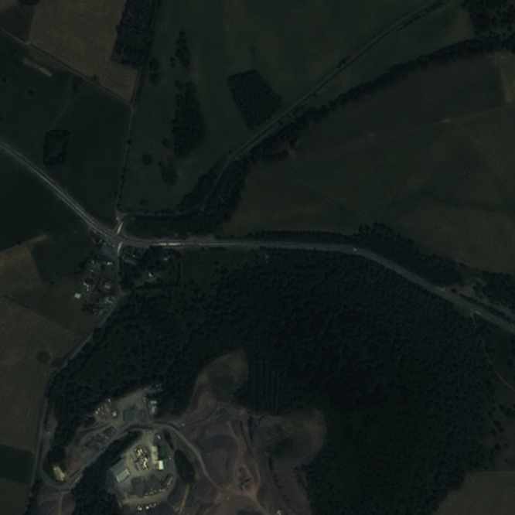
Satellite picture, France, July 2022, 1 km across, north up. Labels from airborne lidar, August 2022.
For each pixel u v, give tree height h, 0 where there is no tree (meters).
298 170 0
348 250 0
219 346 8
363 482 9
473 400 18
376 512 19
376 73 0
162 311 10
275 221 0
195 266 0
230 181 17
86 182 0
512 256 0
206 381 0
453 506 0
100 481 10
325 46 0
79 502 15
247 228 0
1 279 0
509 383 0
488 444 0
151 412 0
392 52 0
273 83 0
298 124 17
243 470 0
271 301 25
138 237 0
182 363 14
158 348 12
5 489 0
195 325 7
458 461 21
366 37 0
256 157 22
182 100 14
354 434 10
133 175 0
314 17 0
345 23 0
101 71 0
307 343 23
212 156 0
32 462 0
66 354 0
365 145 0
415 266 14
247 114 14
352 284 7
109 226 0
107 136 0
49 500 0
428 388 8
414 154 0
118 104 0
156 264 12
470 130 0
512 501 0
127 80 0
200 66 0
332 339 29
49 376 0
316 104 0
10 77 0
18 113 0
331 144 0
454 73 0
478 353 17
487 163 0
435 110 0
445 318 17
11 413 0
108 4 0
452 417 14
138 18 16
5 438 0
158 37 0
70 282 0
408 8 0
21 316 0
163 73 0
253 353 7
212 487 0
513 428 0
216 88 0
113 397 9
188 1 0
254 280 9
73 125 0
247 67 0
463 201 0
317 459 8
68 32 0
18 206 0
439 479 16
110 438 0
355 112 0
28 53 0
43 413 0
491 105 0
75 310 0
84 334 0
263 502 0
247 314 21
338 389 21
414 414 9
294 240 12
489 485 0
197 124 14
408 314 20
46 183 0
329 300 19
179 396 11
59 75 0
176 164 0
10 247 0
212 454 0
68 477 0
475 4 12
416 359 17
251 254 6
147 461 0
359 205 0
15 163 0
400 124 0
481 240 0
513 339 13
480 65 0
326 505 8
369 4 0
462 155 0
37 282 0
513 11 10
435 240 0
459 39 0
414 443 13
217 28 0
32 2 18
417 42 0
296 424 0
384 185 0
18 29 0
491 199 0
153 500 0
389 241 14
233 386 0
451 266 12
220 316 11
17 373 0
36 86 0
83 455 0
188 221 16
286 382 9
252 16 0
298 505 0
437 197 0
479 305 9
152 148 0
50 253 0
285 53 0
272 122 0
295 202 0
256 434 0
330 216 0
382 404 8
